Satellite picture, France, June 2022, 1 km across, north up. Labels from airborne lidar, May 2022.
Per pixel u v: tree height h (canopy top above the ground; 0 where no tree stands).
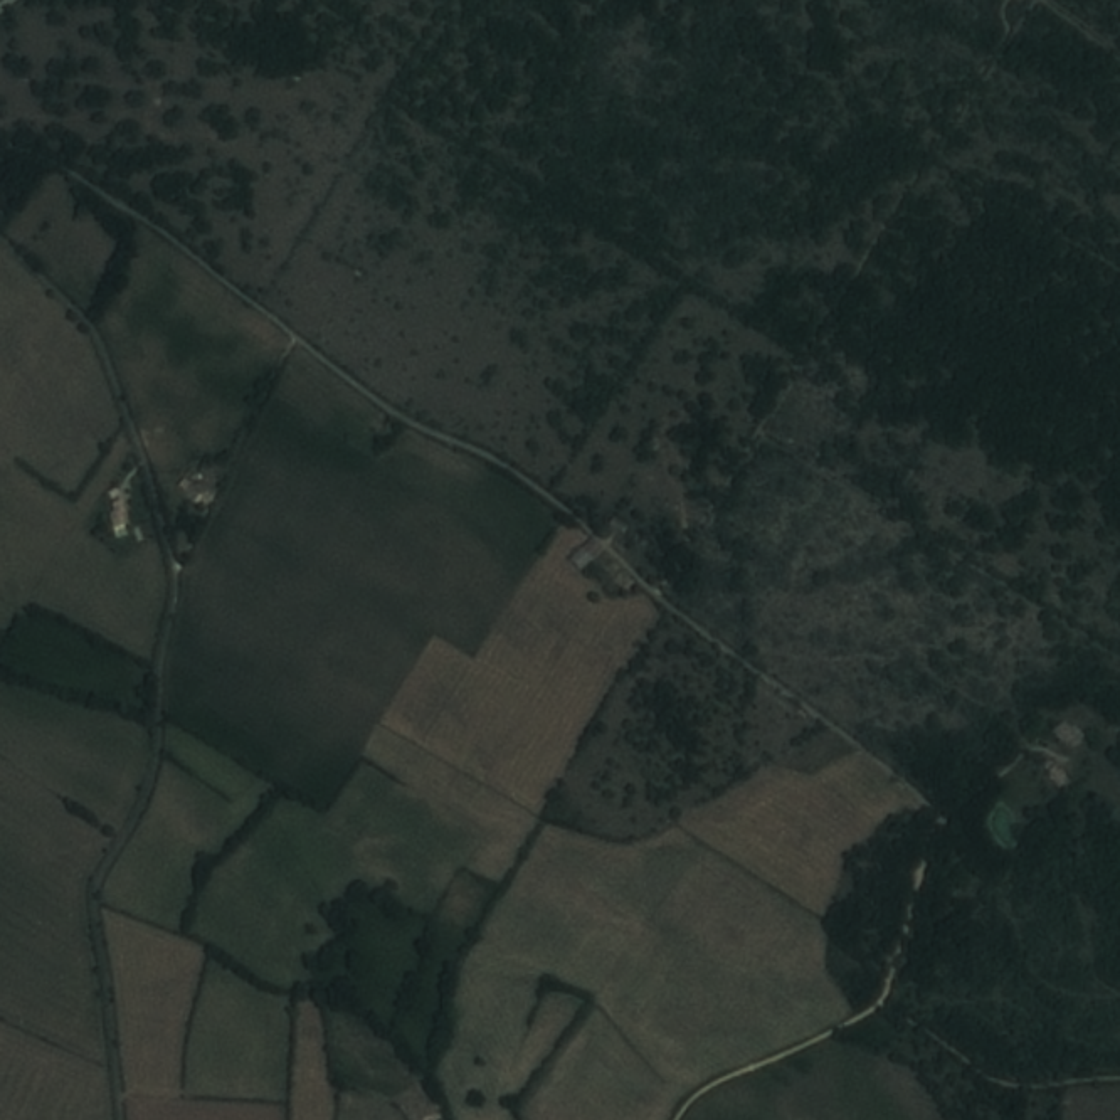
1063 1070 10
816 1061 0
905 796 0
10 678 18
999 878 10
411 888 0
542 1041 0
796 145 7
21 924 0
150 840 0
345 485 0
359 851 0
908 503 11
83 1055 0
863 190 8
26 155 9
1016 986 6
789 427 0
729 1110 0
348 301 0
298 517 0
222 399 0
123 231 11
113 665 0
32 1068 0
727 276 0
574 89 8
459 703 0
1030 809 8
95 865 0
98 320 11
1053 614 6
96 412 0
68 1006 0
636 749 9
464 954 10
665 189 7
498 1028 0
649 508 0
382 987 0
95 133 0
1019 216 10
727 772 8
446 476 0
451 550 0
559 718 0
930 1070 10
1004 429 9
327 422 0
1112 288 7
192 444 0
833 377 8
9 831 0
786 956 0
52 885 0
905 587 10
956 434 11
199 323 0
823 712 7
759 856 0
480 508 0
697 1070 0
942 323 10
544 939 0
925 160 9
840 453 7
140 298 0
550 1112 0
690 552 9
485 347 0
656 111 9
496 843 0
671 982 0
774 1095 0
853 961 7
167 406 0
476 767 0
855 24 8
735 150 7
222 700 0
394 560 0
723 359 8
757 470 7
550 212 7
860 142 8
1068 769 0
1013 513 9
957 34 8
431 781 0
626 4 6
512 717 0
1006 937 8
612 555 0
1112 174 6
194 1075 0
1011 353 11
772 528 0
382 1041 9
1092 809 11
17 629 10
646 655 8
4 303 0
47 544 0
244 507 0
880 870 7
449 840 0
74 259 0
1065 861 6
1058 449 8
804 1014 0
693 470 6
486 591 0
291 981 0
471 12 8
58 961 0
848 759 0
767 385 11
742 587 8
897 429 8
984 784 10
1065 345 8
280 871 0
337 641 0
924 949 8
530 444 7
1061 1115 11
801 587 0
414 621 0
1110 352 8
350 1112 0
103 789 0
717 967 0
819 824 0
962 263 8
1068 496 11
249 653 0
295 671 0
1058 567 7
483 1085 0
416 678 0
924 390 10
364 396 0
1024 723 8
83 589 0
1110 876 8
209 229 8
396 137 7
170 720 9
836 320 7
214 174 6
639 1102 0
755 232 7
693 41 7
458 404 0
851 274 8
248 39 11
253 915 0
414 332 0
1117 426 9
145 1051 0
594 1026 0
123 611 0
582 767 0
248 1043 0
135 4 11
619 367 8
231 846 16
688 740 9
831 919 9
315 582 0
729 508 7
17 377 0
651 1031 0
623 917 0
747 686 9
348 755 0
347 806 0
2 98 7
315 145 0
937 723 9
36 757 0
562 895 0
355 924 11
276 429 0
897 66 10
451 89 8
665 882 0
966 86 7
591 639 0
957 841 10
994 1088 8
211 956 14
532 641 0
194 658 0
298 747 0
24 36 0
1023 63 8
